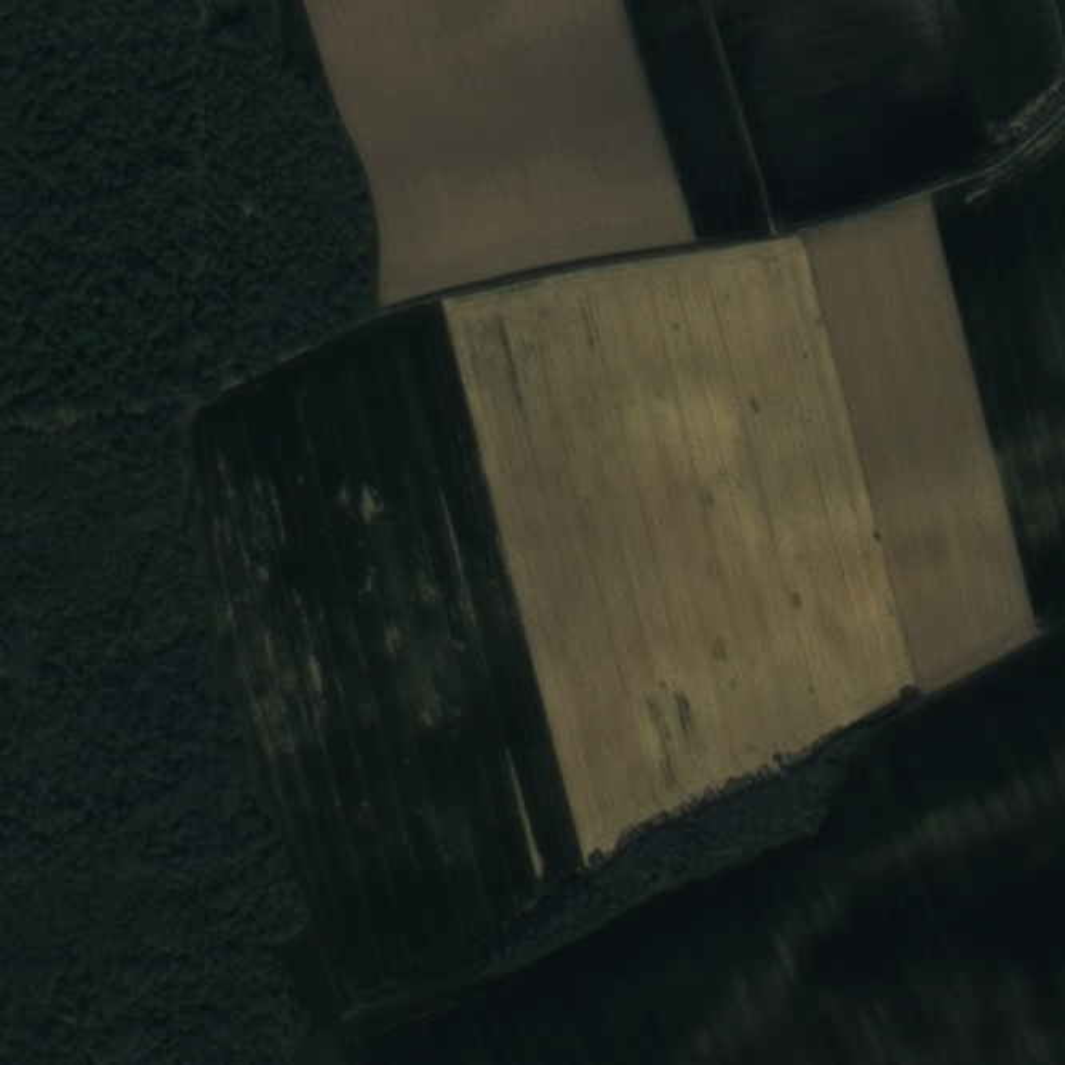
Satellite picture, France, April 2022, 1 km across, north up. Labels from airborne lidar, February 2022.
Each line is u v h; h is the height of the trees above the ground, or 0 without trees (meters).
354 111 0
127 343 23
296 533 0
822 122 0
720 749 0
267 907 28
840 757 12
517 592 0
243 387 0
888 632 0
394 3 0
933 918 0
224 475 0
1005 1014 0
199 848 34
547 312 0
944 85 0
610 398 0
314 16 0
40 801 30
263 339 25
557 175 0
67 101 27
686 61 0
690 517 0
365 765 0
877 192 0
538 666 0
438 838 0
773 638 0
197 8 25
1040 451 0
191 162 24
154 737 22
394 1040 0
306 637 0
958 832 0
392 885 0
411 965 0
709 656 0
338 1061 0
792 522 0
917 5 0
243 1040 24
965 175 0
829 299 0
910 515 0
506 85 0
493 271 0
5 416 23
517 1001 0
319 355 0
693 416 0
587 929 14
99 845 23
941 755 0
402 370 0
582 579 0
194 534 16
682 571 0
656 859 27
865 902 0
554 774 0
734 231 0
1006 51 0
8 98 25
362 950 0
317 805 0
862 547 0
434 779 0
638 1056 0
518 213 0
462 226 0
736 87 0
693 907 0
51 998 18
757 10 0
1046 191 0
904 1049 0
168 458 15
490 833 0
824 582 0
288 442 0
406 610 0
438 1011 0
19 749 32
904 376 0
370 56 0
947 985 0
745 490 0
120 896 18
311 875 0
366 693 0
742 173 0
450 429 0
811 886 0
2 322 14
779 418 0
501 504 0
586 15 0
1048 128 0
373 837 0
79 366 6
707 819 28
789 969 0
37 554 10
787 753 0
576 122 0
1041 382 0
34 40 22
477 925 0
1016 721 0
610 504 0
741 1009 0
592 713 0
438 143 0
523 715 0
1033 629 0
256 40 23
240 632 0
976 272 0
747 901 0
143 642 10
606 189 0
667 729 0
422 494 0
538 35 0
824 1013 0
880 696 0
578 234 0
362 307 24
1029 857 0
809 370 0
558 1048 0
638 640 0
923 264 0
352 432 0
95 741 25
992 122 0
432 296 0
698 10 0
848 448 0
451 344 0
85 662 10
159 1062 24
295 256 26
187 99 20
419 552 0
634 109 0
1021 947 0
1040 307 0
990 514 0
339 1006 0
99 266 26
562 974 0
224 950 22
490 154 0
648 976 0
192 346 27
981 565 0
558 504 0
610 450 0
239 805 25
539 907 0
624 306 0
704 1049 0
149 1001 22
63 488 18
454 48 0
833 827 0
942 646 0
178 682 21
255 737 0
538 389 0
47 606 7
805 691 0
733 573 0
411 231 0
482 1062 0
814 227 0
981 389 0
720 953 0
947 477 0
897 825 0
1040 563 0
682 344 0
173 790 26
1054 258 0
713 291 0
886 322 0
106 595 10
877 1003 0
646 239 0
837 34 0
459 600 0
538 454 0
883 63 0
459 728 0
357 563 0
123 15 24
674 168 0
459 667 0
